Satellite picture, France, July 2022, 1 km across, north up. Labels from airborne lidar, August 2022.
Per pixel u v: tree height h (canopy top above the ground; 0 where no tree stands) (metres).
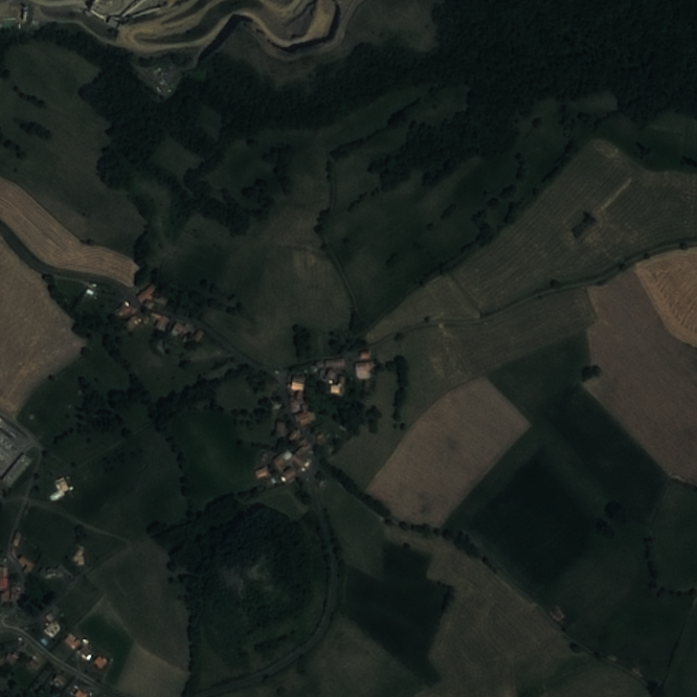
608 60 21
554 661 0
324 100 11
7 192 0
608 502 0
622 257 0
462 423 0
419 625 0
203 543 10
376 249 0
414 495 0
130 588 0
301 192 0
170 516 0
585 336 0
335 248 0
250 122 10
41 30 10
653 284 0
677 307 0
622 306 0
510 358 0
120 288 0
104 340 8
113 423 28
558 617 0
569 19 17
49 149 0
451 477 0
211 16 0
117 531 0
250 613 9
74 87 0
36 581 6
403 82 15
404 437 0
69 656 0
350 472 0
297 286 0
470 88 13
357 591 0
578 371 0
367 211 0
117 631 0
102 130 0
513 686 0
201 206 14
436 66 18
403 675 0
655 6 13
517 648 0
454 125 10
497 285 0
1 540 0
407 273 0
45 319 0
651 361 0
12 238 0
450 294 0
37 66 0
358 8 0
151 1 0
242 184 0
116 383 0
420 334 0
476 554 12
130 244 0
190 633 15
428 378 0
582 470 0
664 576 0
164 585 0
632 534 0
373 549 0
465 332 0
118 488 0
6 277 0
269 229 0
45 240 0
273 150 11
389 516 9
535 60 19
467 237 0
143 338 0
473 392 0
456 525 0
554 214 0
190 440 0
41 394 0
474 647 0
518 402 0
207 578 11
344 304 0
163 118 20
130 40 0
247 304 0
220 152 15
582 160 0
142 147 9
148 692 0
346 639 0
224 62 7
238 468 0
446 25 11
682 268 0
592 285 0
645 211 0
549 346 0
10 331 0
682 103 20
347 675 0
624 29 18
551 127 0
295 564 12
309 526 0
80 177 0
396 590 0
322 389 11
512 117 11
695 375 0
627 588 0
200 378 8
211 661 0
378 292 0
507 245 0
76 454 0
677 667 0
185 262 0
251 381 7
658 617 0
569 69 23
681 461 0
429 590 0
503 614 0
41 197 0
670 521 0
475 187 0
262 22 0
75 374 0
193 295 13
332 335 10
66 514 0
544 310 0
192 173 14
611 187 0
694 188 0
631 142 0
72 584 0
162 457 0
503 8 23
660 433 0
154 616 0
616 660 0
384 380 0
